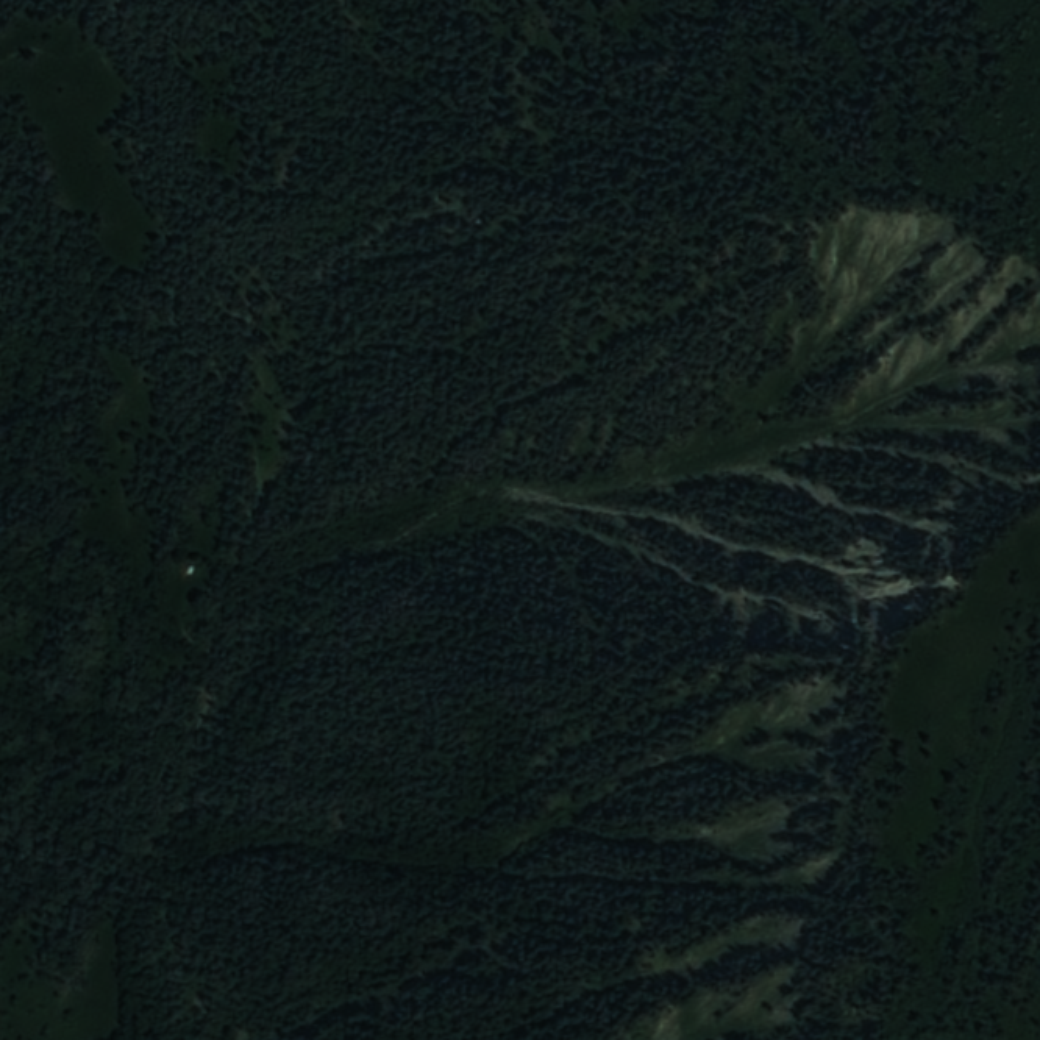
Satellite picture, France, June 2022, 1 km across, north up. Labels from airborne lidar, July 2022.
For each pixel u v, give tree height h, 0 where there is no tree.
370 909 24
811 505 18
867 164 18
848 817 0
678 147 15
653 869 9
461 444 20
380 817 21
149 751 20
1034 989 8
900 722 0
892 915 17
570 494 0
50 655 17
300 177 26
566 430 13
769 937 0
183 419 21
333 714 12
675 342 16
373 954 16
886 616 0
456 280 15
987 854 9
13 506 28
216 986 15
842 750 13
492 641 14
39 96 0
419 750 10
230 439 21
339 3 10
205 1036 25
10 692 12
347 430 20
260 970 23
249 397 31
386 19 20
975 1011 11
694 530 0
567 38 30
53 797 25
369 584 22
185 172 19
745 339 18
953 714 0
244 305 32
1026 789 7
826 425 0
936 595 12
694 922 15
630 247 19
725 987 17
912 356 0
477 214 9
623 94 8
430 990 13
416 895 10
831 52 6
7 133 19
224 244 20
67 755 6
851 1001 9
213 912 19
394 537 6
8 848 23
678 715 14
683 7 28
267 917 20
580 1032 22
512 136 11
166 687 16
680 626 7
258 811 17
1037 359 12
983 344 9
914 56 28
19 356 8
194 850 16
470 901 11
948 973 9
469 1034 25
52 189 30
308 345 11
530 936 11
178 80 20
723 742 0
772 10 22
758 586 11
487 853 11
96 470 24
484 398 17
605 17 11
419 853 17
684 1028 0
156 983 21
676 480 0
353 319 21
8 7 29
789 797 11
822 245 0
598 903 19
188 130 21
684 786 16
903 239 0
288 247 25
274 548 16
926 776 0
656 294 23
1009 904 8
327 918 19
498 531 7
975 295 9
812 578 8
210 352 19
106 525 0
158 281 25
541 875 6
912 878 10
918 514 11
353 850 17
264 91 21
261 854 31
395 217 10
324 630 19
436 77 12
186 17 18
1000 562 0
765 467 0
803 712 0
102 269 18
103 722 26
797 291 15
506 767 14
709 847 7
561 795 12
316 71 18
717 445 0
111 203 0
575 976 13
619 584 15
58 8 18
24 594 19
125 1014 16
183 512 11
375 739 22
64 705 25
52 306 25
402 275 15
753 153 21
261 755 18
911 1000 6
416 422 17
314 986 17
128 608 22
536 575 19
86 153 0
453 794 18
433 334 17
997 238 7
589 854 13
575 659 14
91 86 0
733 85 9
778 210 21
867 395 0
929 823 0
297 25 14
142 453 23
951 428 0
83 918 26
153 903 21
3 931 19
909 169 23
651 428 15
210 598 16
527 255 11
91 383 22
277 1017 25
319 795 12
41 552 9
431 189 16
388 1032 21
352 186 16
